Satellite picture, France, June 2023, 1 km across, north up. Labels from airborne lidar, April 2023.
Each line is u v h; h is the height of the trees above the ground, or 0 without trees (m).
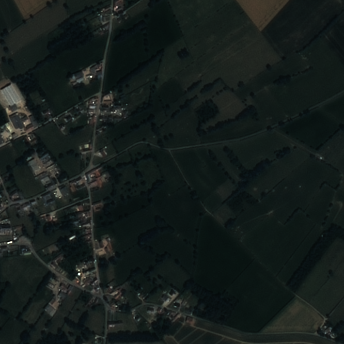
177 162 0
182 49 0
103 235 0
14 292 0
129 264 0
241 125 0
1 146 0
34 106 11
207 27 0
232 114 0
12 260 0
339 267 0
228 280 0
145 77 0
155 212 0
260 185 0
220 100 0
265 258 0
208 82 0
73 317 0
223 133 0
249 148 0
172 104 0
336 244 0
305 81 0
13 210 0
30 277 0
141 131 0
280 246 0
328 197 0
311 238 0
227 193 0
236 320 0
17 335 0
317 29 0
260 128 0
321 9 0
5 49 12
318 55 0
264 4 0
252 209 0
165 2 0
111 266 0
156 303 0
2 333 0
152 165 0
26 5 0
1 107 0
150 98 7
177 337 0
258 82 0
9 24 0
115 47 0
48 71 0
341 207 0
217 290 0
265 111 0
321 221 0
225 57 0
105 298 17
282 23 0
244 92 0
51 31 0
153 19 0
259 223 0
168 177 0
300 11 0
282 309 0
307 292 0
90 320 0
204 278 0
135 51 0
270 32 0
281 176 0
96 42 0
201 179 0
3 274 0
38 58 0
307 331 0
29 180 0
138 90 0
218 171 0
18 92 0
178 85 0
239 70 0
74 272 9
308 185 0
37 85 11
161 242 0
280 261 0
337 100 0
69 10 0
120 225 0
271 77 0
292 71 0
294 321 0
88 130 0
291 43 0
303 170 0
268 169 0
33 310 0
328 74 0
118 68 0
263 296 0
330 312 0
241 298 0
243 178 18
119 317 0
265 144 0
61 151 0
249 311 0
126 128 0
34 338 0
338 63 0
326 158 0
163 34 0
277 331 0
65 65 0
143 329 0
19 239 0
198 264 0
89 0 0
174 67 0
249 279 0
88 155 0
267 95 0
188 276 0
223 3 0
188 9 0
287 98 0
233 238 0
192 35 0
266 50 0
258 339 0
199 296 12
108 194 0
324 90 0
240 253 0
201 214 11
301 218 0
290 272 0
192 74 0
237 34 0
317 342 0
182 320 0
